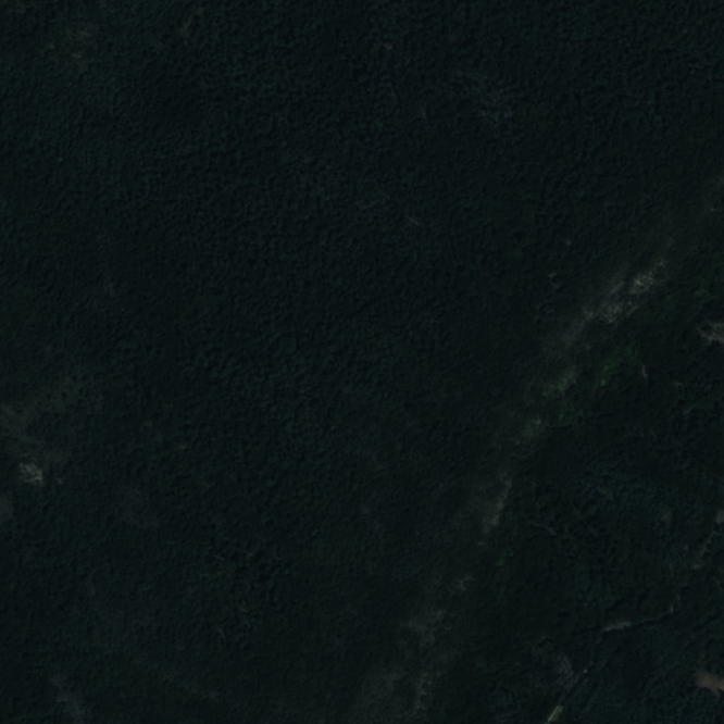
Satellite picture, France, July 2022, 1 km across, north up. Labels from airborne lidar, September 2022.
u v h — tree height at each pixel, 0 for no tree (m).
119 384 16
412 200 18
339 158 22
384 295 10
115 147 19
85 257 9
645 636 15
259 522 19
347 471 19
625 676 17
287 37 12
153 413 8
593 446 26
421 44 16
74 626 15
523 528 38
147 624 6
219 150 11
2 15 16
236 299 21
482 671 10
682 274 15
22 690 18
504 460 8
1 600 24
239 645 14
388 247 17
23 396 13
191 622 10
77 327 18
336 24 13
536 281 21
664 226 7
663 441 23
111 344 19
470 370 17
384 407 10
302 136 19
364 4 18
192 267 23
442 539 13
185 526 11
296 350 18
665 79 18
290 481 18
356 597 14
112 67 9
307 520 18
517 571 26
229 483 21
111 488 11
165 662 9
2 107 18
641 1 12
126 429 19
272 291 13
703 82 18
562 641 27
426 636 8
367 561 10
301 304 14
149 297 16
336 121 7
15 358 13
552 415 17
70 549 14
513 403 7
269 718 8
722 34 17
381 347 6
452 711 30
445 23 26
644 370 29
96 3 11
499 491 7
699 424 29
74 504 9
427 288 21
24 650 20
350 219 16
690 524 20
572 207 23
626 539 30
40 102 17
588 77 23
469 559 13
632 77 15
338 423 17
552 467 21
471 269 25
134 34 17
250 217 18
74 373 6
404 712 8
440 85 24
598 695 29
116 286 7
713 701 25
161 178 22
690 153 14
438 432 23
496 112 27
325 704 12
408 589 17
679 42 12
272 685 13
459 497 16
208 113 15
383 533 11
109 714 16
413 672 7
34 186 12
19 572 20
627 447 18
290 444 18
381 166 23
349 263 12
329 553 9
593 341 9
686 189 13
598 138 16
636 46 19
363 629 16
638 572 26
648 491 26
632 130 22
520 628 33
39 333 15
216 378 11
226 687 8
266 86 19
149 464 18
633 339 19
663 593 15
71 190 15
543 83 21
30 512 20
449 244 24
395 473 16
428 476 12
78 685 17
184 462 12
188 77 23
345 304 16
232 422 9
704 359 15
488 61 28
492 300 21
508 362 14
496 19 24
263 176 11
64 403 7
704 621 24
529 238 27
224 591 9
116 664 17
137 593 13
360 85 14
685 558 26
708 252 25
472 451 19
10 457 8
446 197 17
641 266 8
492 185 21
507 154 12
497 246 17
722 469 7
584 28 22
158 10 8
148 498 8
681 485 19
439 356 18
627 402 28
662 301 20
